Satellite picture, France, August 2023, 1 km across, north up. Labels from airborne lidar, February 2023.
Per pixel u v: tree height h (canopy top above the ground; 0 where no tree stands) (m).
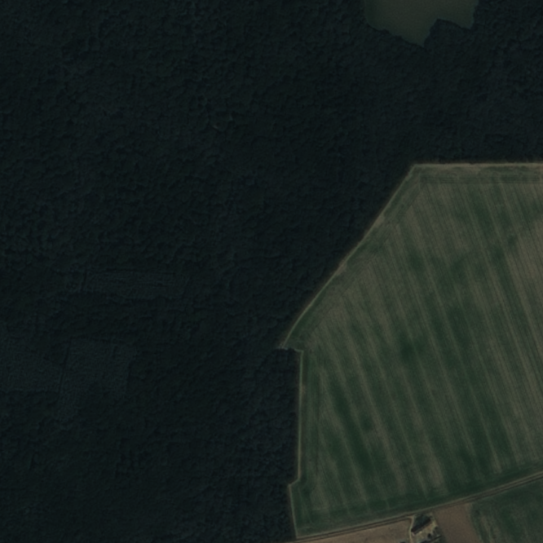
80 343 16
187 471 20
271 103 15
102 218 22
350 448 0
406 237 0
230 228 22
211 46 14
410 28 0
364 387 0
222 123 24
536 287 0
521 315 0
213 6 25
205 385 18
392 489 0
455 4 0
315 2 19
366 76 23
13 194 22
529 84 20
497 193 0
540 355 0
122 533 24
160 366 16
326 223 22
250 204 25
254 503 22
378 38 20
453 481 0
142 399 23
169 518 23
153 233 21
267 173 21
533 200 0
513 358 0
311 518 0
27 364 16
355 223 24
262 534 8
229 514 11
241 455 23
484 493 0
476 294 0
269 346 22
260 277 19
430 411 0
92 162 19
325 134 15
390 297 0
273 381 26
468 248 0
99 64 22
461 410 0
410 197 0
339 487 0
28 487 18
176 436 28
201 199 20
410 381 0
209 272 18
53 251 21
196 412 16
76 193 18
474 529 0
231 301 21
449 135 22
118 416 23
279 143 23
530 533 0
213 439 18
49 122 18
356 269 0
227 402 20
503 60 7
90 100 19
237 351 20
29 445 23
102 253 21
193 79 9
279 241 15
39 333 20
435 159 20
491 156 15
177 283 18
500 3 18
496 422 0
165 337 24
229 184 19
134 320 18
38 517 19
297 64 22
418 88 22
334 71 9
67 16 18
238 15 25
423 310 0
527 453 0
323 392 0
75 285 17
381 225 0
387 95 17
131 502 23
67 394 16
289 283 14
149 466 19
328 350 0
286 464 24
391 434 0
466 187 0
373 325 0
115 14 21
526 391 0
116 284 18
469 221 0
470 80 17
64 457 22
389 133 19
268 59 27
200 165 23
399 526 0
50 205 19
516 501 0
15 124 21
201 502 22
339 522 0
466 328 0
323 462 0
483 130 22
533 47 17
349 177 25
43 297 19
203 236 21
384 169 13
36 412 24
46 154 21
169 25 23
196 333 27
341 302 0
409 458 0
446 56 21
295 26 24
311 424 0
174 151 23
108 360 17
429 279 0
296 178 19
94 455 25
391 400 0
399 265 0
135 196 21
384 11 0
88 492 22
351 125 25
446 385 0
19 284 17
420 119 23
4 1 19
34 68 14
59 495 18
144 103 19
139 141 22
